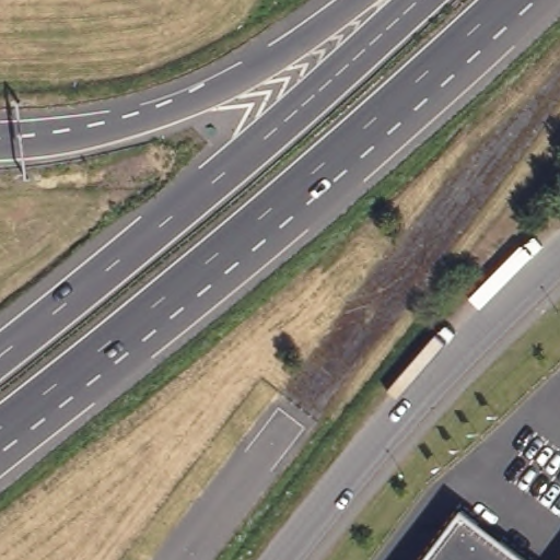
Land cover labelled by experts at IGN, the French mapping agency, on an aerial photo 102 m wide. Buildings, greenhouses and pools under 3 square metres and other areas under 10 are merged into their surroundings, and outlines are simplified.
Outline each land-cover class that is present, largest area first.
<instances>
[{"label":"impervious surface","instance_id":"1","mask_svg":"<svg viewBox=\"0 0 560 560\"><path fill-rule=\"evenodd\" d=\"M453 0H308L298 11L273 22L260 35L249 37L232 55L140 92H129L107 101H90L83 94H46L24 96L18 101L0 98V175L9 173L20 184L31 182L37 175L28 173L26 164L31 162H57L66 158H79L140 142L153 136L166 138L173 131L190 127L206 142V147L188 162V166L182 168L175 182L166 186L155 197L140 203L133 212L125 214L120 221H116L88 245H83L70 260H66L35 289H31L26 295H22L18 302H13L9 308L0 313V385L7 378H11L18 370H22L28 361H33L39 352H44L50 343L63 337L70 328H74L105 300H109L118 289L133 280L142 269L158 260L177 241H182L217 208L232 199L243 186H247L258 173H263L273 160H278L289 147H293L311 127H315L328 112H333L350 92H354L374 70H378L398 48H403L422 26H427L431 18H435ZM560 20V0H470L459 11H455L435 33H431V37H427L409 57H405V61H400L387 77L374 83L352 107H348L346 114H341L330 127H326L284 168H280L271 179H267L258 190H254L243 203L228 212L219 223H214L193 245L177 254L168 265L155 271L144 284H140L120 304H116L109 313H105L98 322L83 330L63 350H59L35 372H31L24 381H20L13 389L0 396V494L7 488H11L26 470H31L48 451L59 446L70 433L83 427L94 413L103 411L125 392H129L138 381L151 374L168 354L182 348L190 337H195L219 315H223L241 298L252 293L260 280L269 278L282 263L300 254L313 238L326 232L341 214H346L363 197L368 188L381 182L416 147L431 138L466 103H470L479 92H483L503 70L510 68V63L518 55H523L547 28H551ZM560 302V221L549 219L547 230L538 232V236L532 241L516 249L488 278L479 287V291L455 313L453 322L440 319L429 328L433 339L392 383L381 405L365 418V422L346 444L341 455L319 477V481L293 510L289 521L273 534V538L263 549L258 560H326L328 553L337 547V543L350 532L363 508L370 503V499L394 477L398 464H403L411 451L418 448L427 431L440 422V416L444 411L455 407L457 396L536 319H540L551 306ZM431 475L438 483L427 488V492L413 505L405 523L396 529V534L389 538V543L381 549V553L374 560H422V556L431 549V545L457 514L473 521L479 529H483L494 540L505 545L521 560H560V370L551 374L538 389H534L486 440H481L451 470L442 475L440 468H431ZM319 424L302 409H298L295 400H289L287 396H278V400L269 403L151 560H217L223 553V549L234 540L236 532L249 518L254 508L267 494V490L289 468L293 457H298L300 448L311 440V433Z\"/></svg>","mask_w":560,"mask_h":560},{"label":"agricultural land","instance_id":"2","mask_svg":"<svg viewBox=\"0 0 560 560\"><path fill-rule=\"evenodd\" d=\"M258 4V0H0V81L77 83L144 72L160 63L173 61L241 26L252 11ZM560 116V42L551 48L543 63H523V70L518 74L508 77L505 85L481 107L479 125L475 127L473 123H464V133L459 136L455 147H451L416 182V186L407 188L394 203L403 214V228L396 238L383 236L370 219L363 223V228L348 245L346 254L335 265H330L326 271L306 269L304 273L295 276V280L282 293L273 295L267 304L258 308L254 317H249L228 337H223L208 354L199 357L188 370L179 374L177 381L168 383L162 392L151 396L133 413L114 422L103 440L90 444L77 457L68 459L50 477L39 481L28 494H24L7 512L0 514V560H151L269 403L278 400V396H287L289 400H295L298 409H302L319 424L324 416L337 420L341 416L343 407L354 398L361 385L376 372L381 361L392 352L396 341L413 324L409 311L416 306L420 298L440 293L438 282L446 271L455 267H473L475 260L486 263L499 249L501 243H505L512 234L518 232V223L514 221L512 212L516 214L523 206H527L534 199H540L543 195H556V186L560 184V164L551 155L543 153L549 147L547 120ZM175 164V151L164 147H151L144 155L123 160L94 173H66L50 177L37 175L31 182L20 184L9 173L0 175V300L13 293L18 287H22L26 280H31L63 249H68L79 236H83L101 219L103 212L109 210L112 201L120 203L133 193V188L147 186L158 175L162 177Z\"/></svg>","mask_w":560,"mask_h":560},{"label":"herbaceous vegetation","instance_id":"3","mask_svg":"<svg viewBox=\"0 0 560 560\"><path fill-rule=\"evenodd\" d=\"M470 0H453L435 18H431L427 26H422L403 48H398L378 70H374L354 92H350L333 112H328L315 127H311L293 147H289L278 160H273L263 173H258L247 186H243L232 199L217 208L182 241H177L158 260L142 269L133 280L118 289L109 300H105L74 328H70L63 337L50 343L44 352H39L33 361H28L22 370H18L11 378H7L0 385V396L13 389L20 381H24L31 372H35L59 350H63L83 330L98 322L105 313H109L116 304H120L140 284H144L155 271L168 265L177 254L193 245L214 223H219L228 212L243 203L254 190H258L267 179H271L280 168H284L326 127H330L341 114H346L348 107H352L374 83L387 77L400 61H405V57H409L427 37H431V33H435L455 11H459ZM273 22L269 18H256L252 11L241 26L173 61L160 63L144 72L77 83L0 81V98L18 101L24 96L46 94H83L90 101H107L129 92H140L232 55L249 37L260 35ZM560 42V20L551 28H547L523 55H518L510 63V68L503 70L483 92H479L470 103H466L431 138L416 147L381 182L368 188L363 197L346 214H341L326 232L313 238L300 254L282 263L269 278L260 280L252 293L241 298L223 315H219L195 337H190L182 348L168 354L151 374L138 381L129 392H125L103 411L94 413L83 427L70 433L59 446L48 451L31 470H26L11 488H7L0 494V514L7 512L24 494H28L39 481L50 477L68 459L77 457L90 444L103 440L114 422L133 413L151 396L162 392L168 383L177 381L179 374L188 370L199 357L208 354L223 337H228L249 317H254L258 308L267 304L273 295L282 293L295 280V276L304 273L306 269L326 271L330 265H335L346 254L348 245L363 228V223L370 219V210L376 201L389 199L394 203L407 188L416 186V182L451 147H455L459 136L464 133V123H473L475 127L479 125L481 107L505 85L508 77L518 74L523 70V63H543L551 48ZM151 147H164L175 151V164L162 177L166 186L175 182L182 168L188 166V162L206 147V142L190 127L173 131L166 138L153 136L140 142L79 158H66L57 162H31L26 164L28 173L37 175L50 177L66 173H94L123 160L144 155ZM560 370V302L551 306L540 319H536L457 396L455 407L444 411L440 416V422L427 431L418 448L411 451L403 464H398L394 477L370 499V503L363 508L350 532L337 543V547L328 553L326 560H374L381 553V549L389 543V538L396 534V529L405 523L413 505L427 492V488L438 483L431 475V468H440L442 475L451 470L481 440H486L534 389H538L551 374ZM433 339L429 328H420L413 324L396 341L392 352L381 361L376 372L361 385L354 398L343 407L341 416L337 420L324 416L319 424L311 433V440L300 448L298 457H293L289 468L267 490V494L254 508L249 518L236 532L234 540L223 549V553L217 560H258L263 549L273 538V534L289 521L293 510L319 481V477L341 455L346 444L365 422V418L381 405L392 383Z\"/></svg>","mask_w":560,"mask_h":560},{"label":"deciduous trees","instance_id":"4","mask_svg":"<svg viewBox=\"0 0 560 560\"><path fill-rule=\"evenodd\" d=\"M549 147L543 153L551 155L560 164V116L547 120ZM514 221L518 223V232L527 234L532 241L538 236V232L547 230L549 219L560 221V184L556 186V195H543L540 199H534L527 206H523L516 214L512 212ZM370 219L383 236L396 238L403 228V214L394 203L389 199L376 201L370 210ZM488 278L473 267H455L446 271L438 282L440 293L420 298L416 306L409 311L413 324L420 328H429L440 319L453 322L455 313L479 291V287Z\"/></svg>","mask_w":560,"mask_h":560},{"label":"brushwood","instance_id":"5","mask_svg":"<svg viewBox=\"0 0 560 560\"><path fill-rule=\"evenodd\" d=\"M308 0H258V4L252 11L256 18H269L273 22L298 11ZM166 186L162 177L158 175L147 186L133 188V193L120 203L112 201L109 210L103 212L101 219L83 236H79L68 249H63L31 280H26L22 287H18L13 293L0 300V313L9 308L13 302H18L22 295H26L31 289H35L66 260H70L83 245H88L116 221H120L125 214L133 212L140 203L155 197Z\"/></svg>","mask_w":560,"mask_h":560},{"label":"building","instance_id":"6","mask_svg":"<svg viewBox=\"0 0 560 560\"><path fill-rule=\"evenodd\" d=\"M422 560H521L505 545L494 540L483 529H479L473 521L457 514L431 545V549L422 556Z\"/></svg>","mask_w":560,"mask_h":560},{"label":"pervious surface","instance_id":"7","mask_svg":"<svg viewBox=\"0 0 560 560\"><path fill-rule=\"evenodd\" d=\"M532 241L527 234L518 232L512 234L505 243H501L499 249L486 263L475 260L473 267L488 278L516 249Z\"/></svg>","mask_w":560,"mask_h":560}]
</instances>
